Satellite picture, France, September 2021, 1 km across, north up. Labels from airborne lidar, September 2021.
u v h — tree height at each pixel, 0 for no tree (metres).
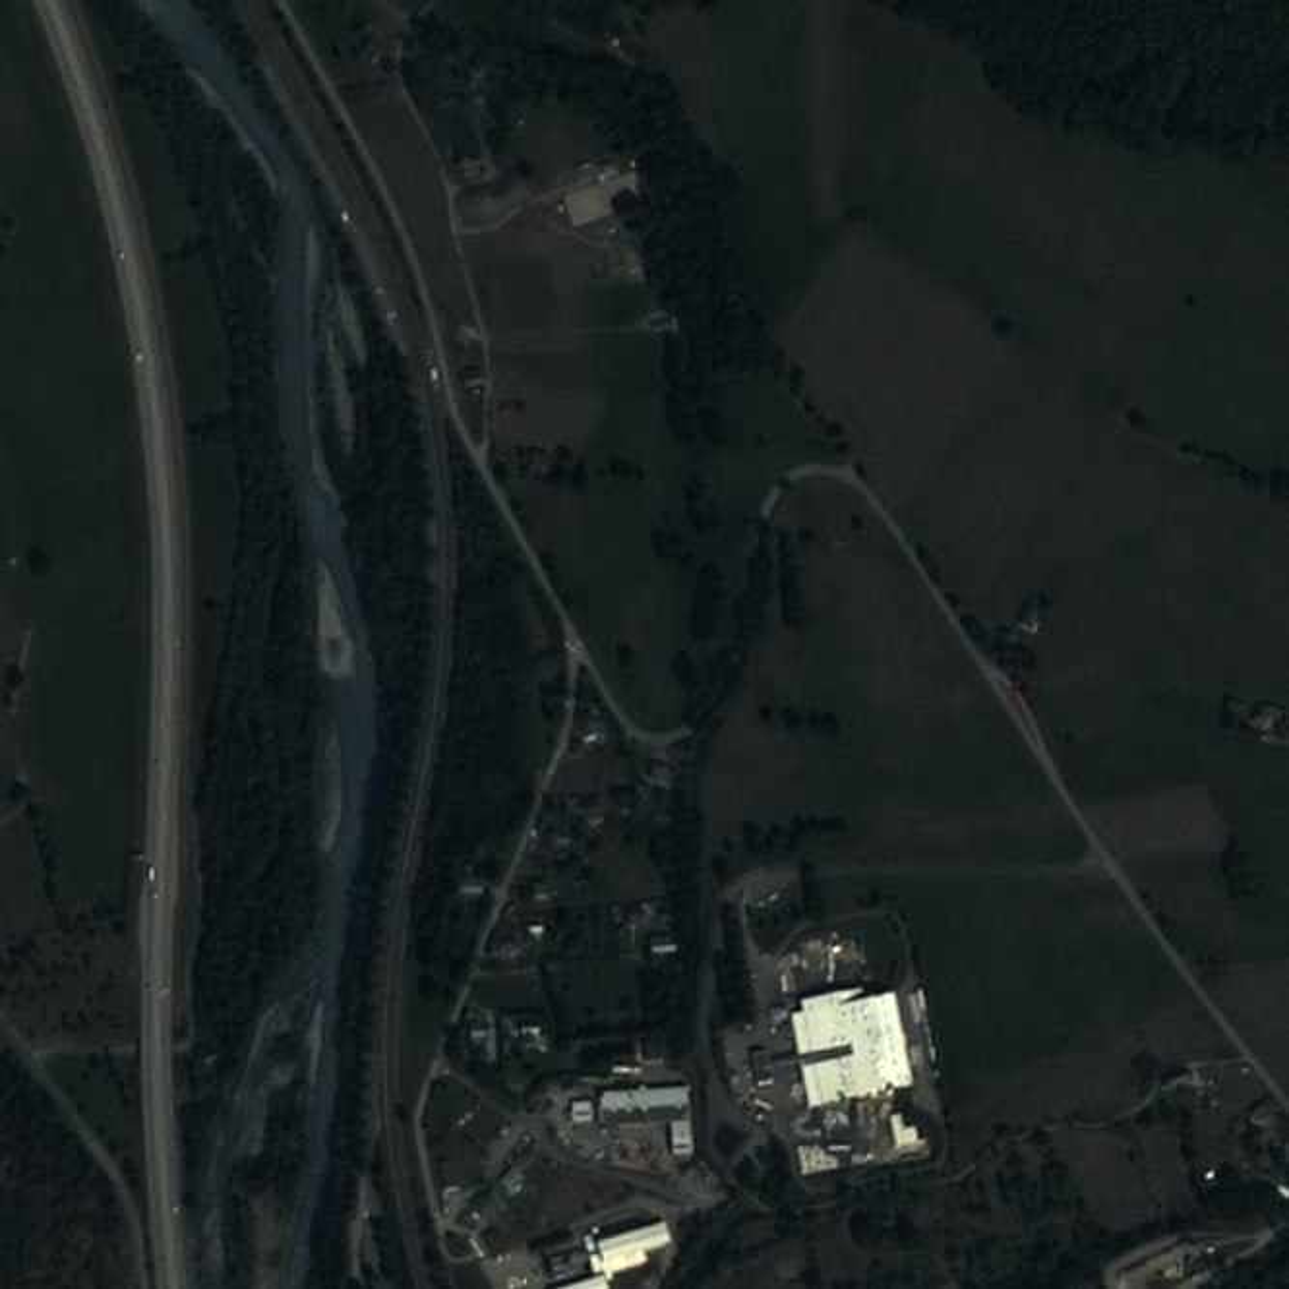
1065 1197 10
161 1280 0
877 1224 9
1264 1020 0
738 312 20
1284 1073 0
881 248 0
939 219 0
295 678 15
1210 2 15
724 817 0
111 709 0
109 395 0
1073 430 0
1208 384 0
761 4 0
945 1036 0
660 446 0
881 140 0
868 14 0
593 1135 0
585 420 0
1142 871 0
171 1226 0
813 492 0
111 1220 6
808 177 0
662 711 0
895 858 0
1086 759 0
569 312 0
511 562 11
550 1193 0
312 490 0
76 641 0
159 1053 0
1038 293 0
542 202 0
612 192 0
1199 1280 0
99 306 0
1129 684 0
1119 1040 0
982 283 0
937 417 0
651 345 0
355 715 0
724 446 15
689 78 0
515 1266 0
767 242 0
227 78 0
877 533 0
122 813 0
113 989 7
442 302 0
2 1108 7
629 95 16
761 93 0
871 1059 0
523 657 8
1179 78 10
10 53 0
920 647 0
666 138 22
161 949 0
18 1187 11
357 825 0
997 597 0
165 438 0
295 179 0
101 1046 0
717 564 0
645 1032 12
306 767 12
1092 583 0
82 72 0
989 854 0
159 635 0
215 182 14
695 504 15
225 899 16
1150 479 0
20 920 0
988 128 0
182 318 0
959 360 0
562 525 0
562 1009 13
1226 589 0
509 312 0
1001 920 0
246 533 7
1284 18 20
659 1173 0
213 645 0
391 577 18
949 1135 9
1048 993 0
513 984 0
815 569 0
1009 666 13
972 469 0
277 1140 7
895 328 0
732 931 15
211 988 14
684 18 0
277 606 11
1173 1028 0
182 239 0
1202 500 0
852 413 0
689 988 12
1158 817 0
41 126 0
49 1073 0
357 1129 19
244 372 11
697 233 24
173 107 9
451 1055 11
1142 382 0
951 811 0
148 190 0
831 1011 0
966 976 0
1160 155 0
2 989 7
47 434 0
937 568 11
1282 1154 6
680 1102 0
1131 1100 0
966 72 0
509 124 15
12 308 0
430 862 15
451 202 0
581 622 0
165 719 0
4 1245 15
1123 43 19
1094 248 0
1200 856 0
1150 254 0
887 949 0
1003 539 0
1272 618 0
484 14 0
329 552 0
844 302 0
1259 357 0
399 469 11
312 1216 0
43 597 0
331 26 0
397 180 0
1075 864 0
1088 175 0
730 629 0
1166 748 0
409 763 20
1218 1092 0
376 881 17
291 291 0
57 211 0
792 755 0
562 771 0
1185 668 0
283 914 18
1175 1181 0
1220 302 0
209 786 11
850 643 0
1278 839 0
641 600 0
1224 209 0
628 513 0
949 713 0
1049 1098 0
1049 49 24
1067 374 0
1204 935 0
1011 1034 0
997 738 0
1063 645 0
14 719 0
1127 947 0
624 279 0
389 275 0
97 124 0
